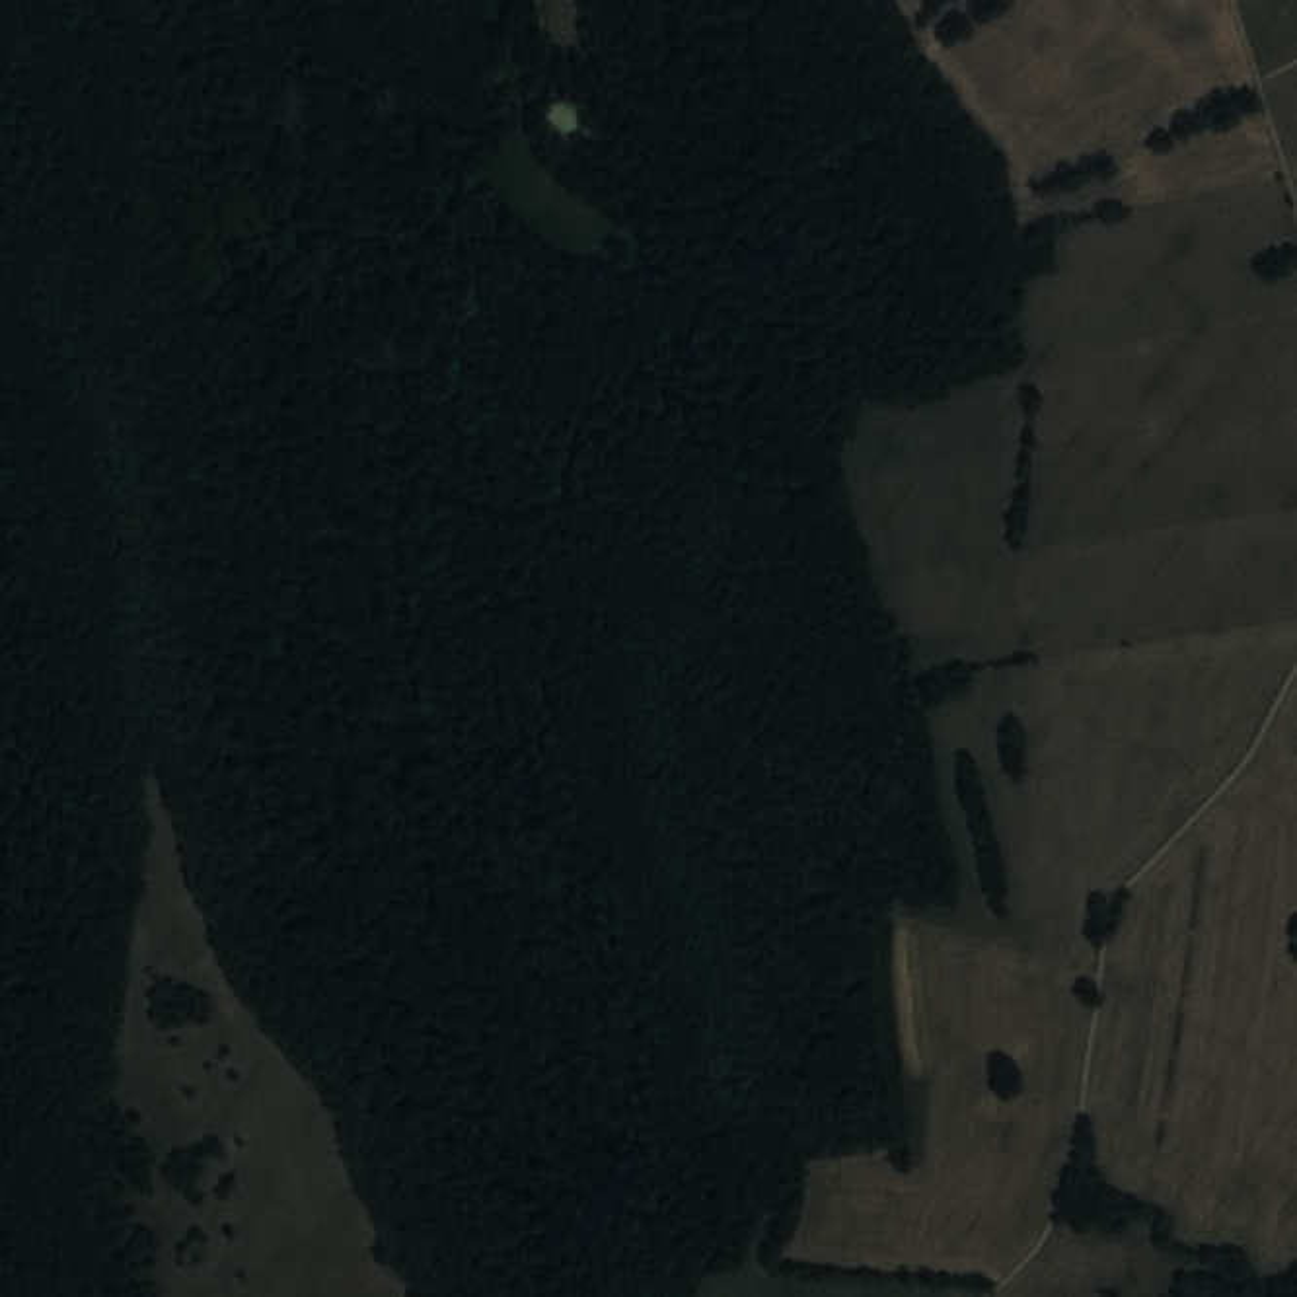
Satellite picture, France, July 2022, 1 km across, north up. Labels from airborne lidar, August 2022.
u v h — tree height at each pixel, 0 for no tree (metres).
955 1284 11
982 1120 0
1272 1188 0
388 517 11
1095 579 0
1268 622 0
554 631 22
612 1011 31
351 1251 0
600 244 0
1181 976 0
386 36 17
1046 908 0
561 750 32
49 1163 25
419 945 32
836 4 20
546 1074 27
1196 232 0
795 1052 11
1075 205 0
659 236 31
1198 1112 0
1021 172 0
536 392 27
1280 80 0
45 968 23
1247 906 0
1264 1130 0
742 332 36
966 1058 0
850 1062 18
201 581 27
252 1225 0
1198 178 0
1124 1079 0
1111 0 0
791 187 33
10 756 33
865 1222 0
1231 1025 0
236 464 34
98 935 21
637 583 25
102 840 29
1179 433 0
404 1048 29
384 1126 24
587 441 27
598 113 21
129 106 18
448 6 21
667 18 11
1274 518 0
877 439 0
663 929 20
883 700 15
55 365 15
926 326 27
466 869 20
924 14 10
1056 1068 0
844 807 15
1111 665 0
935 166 26
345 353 8
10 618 26
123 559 15
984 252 20
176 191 27
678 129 26
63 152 23
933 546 0
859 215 29
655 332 33
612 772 26
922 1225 0
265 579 31
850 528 15
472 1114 30
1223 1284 8
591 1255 34
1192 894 0
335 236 17
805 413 31
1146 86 0
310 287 11
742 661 18
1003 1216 0
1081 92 0
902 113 23
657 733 12
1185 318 0
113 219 16
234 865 25
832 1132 16
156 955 0
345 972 27
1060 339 0
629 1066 16
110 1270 16
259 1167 0
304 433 26
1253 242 0
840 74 26
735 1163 29
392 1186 20
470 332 22
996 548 0
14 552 27
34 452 24
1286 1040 0
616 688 24
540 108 15
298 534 24
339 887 28
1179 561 0
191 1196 9
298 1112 0
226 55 29
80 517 21
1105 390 0
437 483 5
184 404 26
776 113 28
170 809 13
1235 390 0
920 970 0
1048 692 0
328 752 17
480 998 31
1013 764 16
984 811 16
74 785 28
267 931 29
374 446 17
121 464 10
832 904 15
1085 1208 17
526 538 28
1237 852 0
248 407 29
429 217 9
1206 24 0
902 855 26
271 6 29
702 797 15
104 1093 16
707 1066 17
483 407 27
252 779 25
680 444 33
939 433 0
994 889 13
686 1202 29
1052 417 0
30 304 18
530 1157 6
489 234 24
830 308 38
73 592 28
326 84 24
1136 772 0
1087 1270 0
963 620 0
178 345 28
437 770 25
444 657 31
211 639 26
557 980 21
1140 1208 19
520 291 25
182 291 26
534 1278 29
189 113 29
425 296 26
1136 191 0
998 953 0
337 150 20
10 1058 25
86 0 22
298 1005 28
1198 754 0
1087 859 0
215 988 0
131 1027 0
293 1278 0
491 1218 39
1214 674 0
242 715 31
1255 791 0
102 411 12
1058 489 0
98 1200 12
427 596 21
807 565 16
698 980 17
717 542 13
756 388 38
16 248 15
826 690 18
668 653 11
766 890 16
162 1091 0
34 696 32
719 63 23
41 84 24
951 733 0
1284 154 0
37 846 23
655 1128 29
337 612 32
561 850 35
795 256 33
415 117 10
